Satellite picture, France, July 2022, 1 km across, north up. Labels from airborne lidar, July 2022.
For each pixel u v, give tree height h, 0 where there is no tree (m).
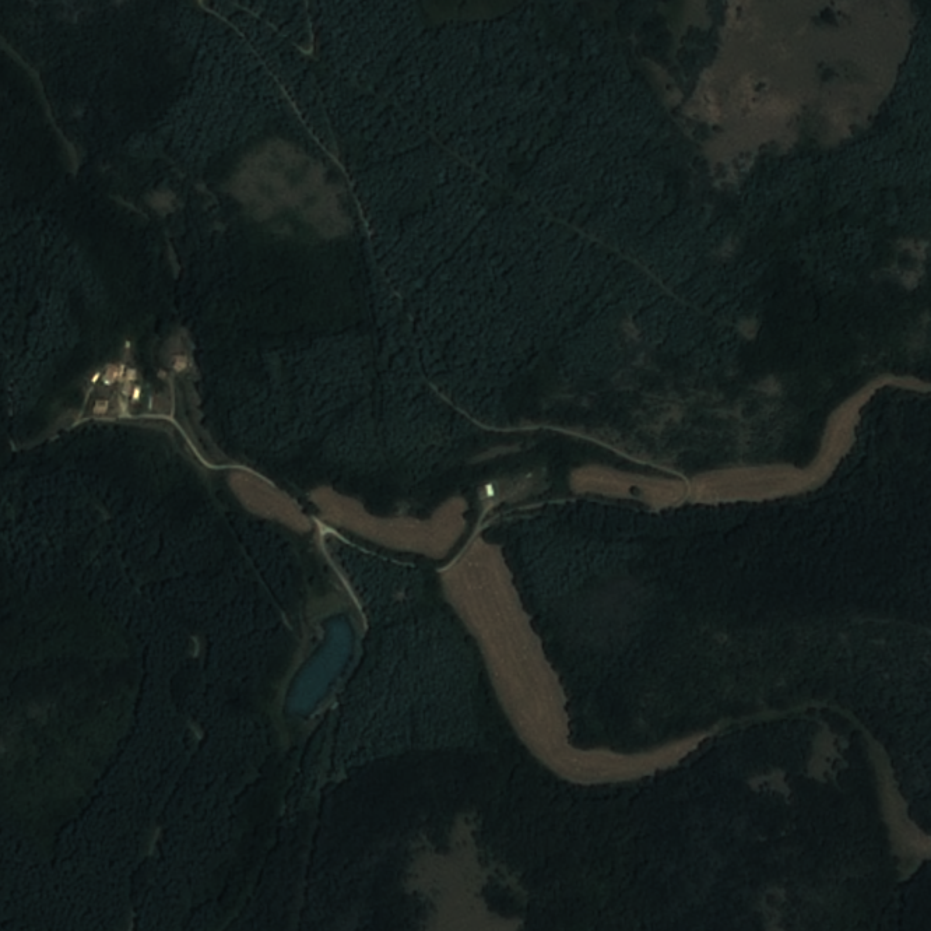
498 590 0
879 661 7
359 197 9
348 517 0
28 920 25
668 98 0
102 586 19
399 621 11
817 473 0
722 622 7
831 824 11
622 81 11
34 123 11
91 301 19
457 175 13
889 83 0
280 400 16
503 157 11
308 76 17
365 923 9
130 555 20
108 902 25
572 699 7
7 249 28
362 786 15
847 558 12
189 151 18
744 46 0
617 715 12
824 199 13
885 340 7
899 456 9
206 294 8
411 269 18
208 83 15
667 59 7
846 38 0
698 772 11
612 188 12
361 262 7
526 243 15
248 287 15
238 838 11
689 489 0
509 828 11
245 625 25
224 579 24
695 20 0
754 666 12
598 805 17
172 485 7
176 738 26
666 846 7
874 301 9
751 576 13
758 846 7
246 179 0
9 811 6
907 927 20
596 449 7
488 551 0
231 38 15
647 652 10
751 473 0
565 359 13
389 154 11
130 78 10
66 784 7
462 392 7
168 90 12
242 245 11
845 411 0
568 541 14
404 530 0
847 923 13
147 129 8
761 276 7
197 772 27
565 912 12
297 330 6
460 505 0
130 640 10
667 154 13
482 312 16
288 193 0
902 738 7
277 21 14
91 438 11
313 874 12
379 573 15
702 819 7
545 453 7
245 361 7
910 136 6
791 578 13
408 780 14
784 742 6
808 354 19
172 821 27
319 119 16
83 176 12
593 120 11
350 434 12
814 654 10
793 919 6
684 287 12
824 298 15
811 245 13
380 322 18
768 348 14
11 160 12
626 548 16
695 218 11
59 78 11
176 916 24
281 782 18
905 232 6
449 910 0
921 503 12
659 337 8
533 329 16
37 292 19
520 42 15
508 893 7
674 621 7
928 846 0
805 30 0
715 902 7
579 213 10
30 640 6
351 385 11
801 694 11
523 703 0
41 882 21
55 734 9
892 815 0
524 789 21
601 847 17
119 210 11
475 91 15
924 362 6
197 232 7
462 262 16
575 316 6
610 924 13
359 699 12
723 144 0
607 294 12
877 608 10
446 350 9
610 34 7
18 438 20
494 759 20
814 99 0
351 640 0
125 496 13
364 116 18
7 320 20
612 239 15
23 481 16
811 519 11
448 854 7
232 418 17
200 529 24
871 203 10
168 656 24
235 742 27
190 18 17
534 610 8
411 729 13
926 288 10
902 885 12
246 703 19
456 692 12
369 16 16
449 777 11
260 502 0
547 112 13
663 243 12
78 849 24
